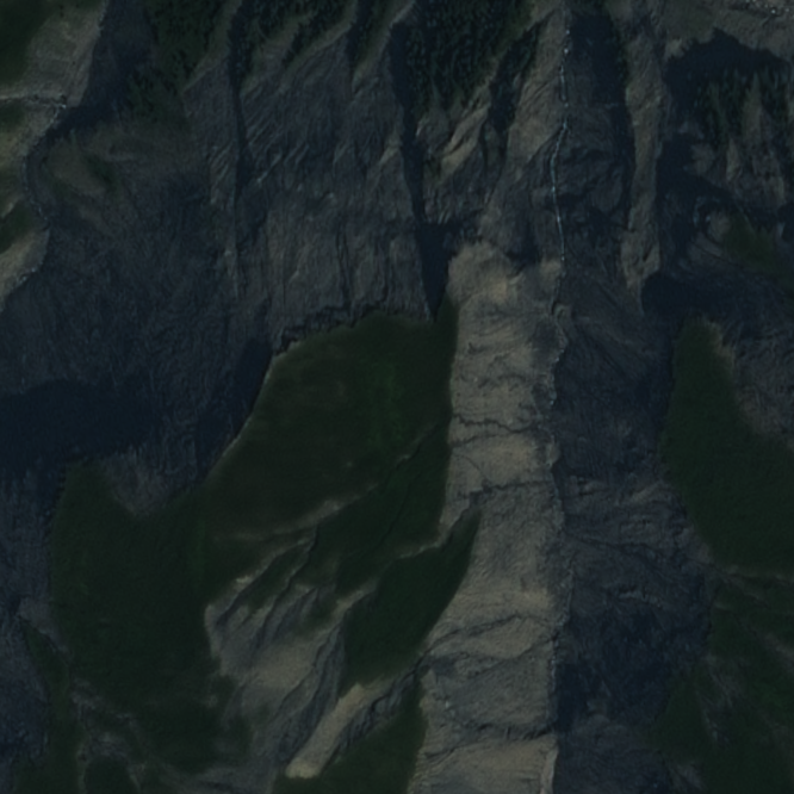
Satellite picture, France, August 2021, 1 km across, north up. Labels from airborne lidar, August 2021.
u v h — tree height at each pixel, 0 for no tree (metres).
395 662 0
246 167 0
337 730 0
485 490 0
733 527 0
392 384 0
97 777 0
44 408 0
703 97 12
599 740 0
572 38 0
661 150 0
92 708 0
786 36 0
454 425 0
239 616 0
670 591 0
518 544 0
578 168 0
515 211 0
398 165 0
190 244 0
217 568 0
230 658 0
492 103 0
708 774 0
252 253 0
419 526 0
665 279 0
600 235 0
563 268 0
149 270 0
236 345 0
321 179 0
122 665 0
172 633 0
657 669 0
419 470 0
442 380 0
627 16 0
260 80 0
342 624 0
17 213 0
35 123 0
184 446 0
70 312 0
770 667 0
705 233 0
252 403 0
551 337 0
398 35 0
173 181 0
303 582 0
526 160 0
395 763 0
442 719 0
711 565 0
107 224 0
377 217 0
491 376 0
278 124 0
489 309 0
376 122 0
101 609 0
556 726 0
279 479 0
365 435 0
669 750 0
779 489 0
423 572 0
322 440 0
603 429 0
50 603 0
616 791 0
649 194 0
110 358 0
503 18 23
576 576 0
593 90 0
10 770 0
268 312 0
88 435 0
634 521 0
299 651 0
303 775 0
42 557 0
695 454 0
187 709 0
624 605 0
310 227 0
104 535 0
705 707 0
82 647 0
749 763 0
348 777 0
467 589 0
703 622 0
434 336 0
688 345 0
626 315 0
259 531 0
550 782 0
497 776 0
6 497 0
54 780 0
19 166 0
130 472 0
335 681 0
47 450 0
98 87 0
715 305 0
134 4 0
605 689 0
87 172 0
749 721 0
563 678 0
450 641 0
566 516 0
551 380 0
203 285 0
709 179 0
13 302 0
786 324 0
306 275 0
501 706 0
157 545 0
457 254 0
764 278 0
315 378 0
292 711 0
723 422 0
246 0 0
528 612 0
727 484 0
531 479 0
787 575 0
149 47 0
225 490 0
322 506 0
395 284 0
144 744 0
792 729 0
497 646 0
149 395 0
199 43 0
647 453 0
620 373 0
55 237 0
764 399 0
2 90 0
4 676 0
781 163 0
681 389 0
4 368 0
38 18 0
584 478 0
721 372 0
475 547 0
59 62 0
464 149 0
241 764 0
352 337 0
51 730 0
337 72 0
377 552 0
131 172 0
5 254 0
